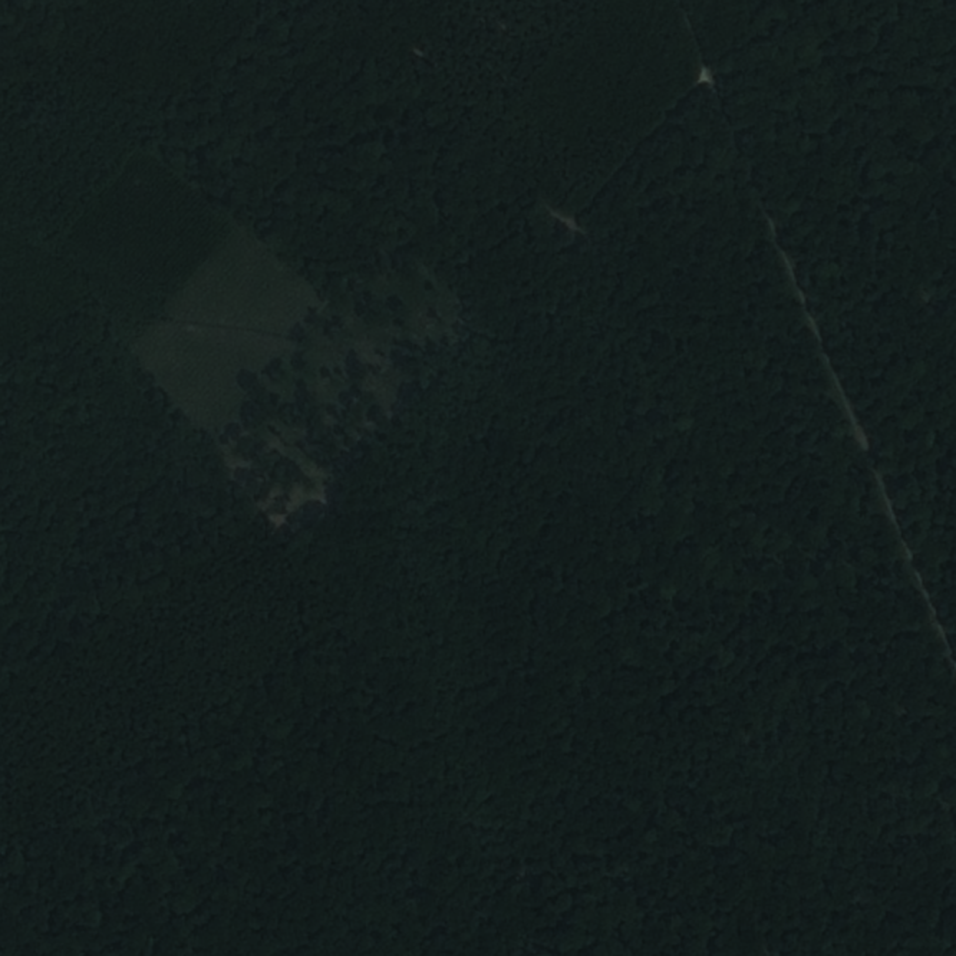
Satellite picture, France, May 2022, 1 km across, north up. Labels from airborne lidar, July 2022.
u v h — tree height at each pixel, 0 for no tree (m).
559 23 23
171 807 21
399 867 19
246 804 27
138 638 19
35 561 26
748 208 27
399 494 25
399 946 30
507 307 25
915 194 29
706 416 25
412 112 29
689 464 28
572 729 24
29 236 18
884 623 27
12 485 24
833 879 25
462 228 24
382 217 28
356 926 27
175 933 30
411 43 22
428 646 18
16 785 20
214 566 23
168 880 26
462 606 21
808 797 23
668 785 20
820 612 26
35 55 23
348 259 23
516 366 23
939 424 29
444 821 22
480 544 18
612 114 21
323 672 23
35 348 20
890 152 31
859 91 29
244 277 0
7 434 22
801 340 32
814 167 28
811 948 21
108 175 19
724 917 28
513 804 21
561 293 20
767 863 26
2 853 17
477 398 20
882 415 25
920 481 25
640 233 24
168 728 20
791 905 26
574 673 27
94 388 22
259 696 29
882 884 24
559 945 32
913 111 31
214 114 24
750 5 19
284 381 25
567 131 24
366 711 16
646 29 19
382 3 22
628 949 30
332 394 0
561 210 23
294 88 29
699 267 26
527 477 28
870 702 26
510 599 27
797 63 29
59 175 22
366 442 24
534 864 27
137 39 22
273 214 21
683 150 29
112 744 19
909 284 28
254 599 21
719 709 29
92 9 21
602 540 25
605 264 25
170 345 0
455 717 20
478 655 24
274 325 0
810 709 29
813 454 26
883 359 25
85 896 28
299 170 29
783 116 28
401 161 28
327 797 27
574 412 25
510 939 29
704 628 26
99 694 20
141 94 19
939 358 27
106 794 26
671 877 32
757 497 23
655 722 28
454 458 24
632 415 25
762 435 23
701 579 28
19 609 21
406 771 22
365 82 31
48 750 17
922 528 25
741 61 26
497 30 22
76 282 14
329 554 28
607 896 33
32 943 27
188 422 25
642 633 29
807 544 29
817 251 25
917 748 27
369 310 22
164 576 22
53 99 7
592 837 27
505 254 25
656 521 31
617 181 25
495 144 26
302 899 29
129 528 29
